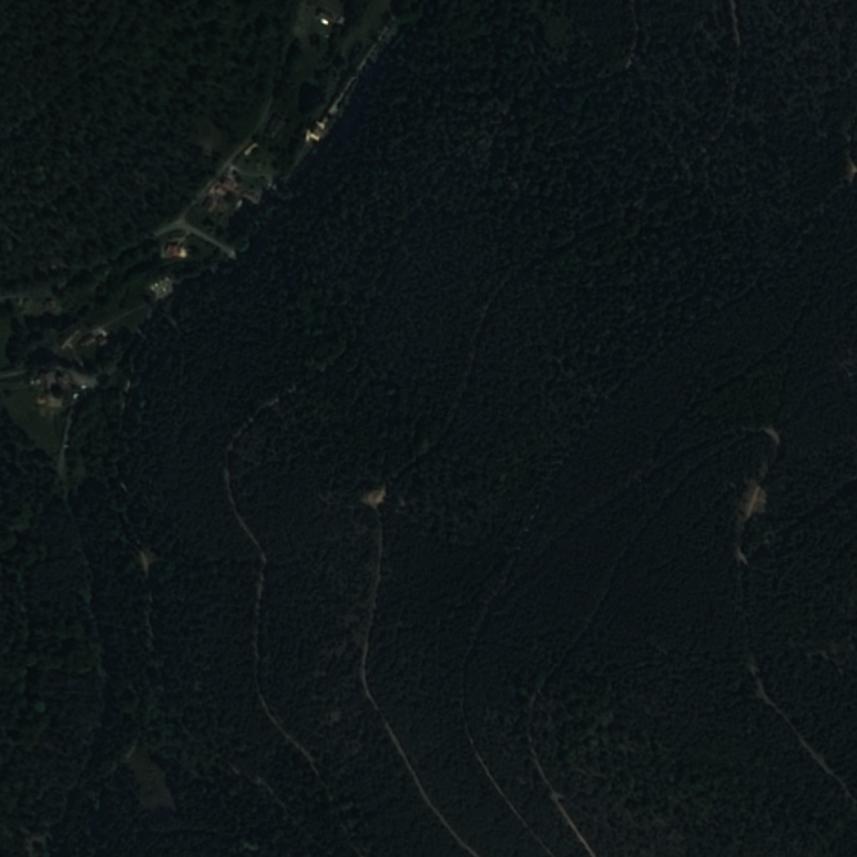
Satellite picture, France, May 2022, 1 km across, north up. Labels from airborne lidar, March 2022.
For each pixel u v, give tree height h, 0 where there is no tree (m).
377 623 11
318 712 12
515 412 21
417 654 7
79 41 35
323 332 19
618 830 22
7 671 32
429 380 21
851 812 19
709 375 15
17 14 27
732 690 20
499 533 10
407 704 8
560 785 9
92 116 8
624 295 26
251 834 27
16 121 24
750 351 17
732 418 14
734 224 14
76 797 32
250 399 13
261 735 16
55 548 24
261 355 16
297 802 26
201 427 13
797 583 22
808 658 22
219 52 33
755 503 0
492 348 18
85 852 34
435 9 30
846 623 24
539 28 25
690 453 14
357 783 14
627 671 20
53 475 30
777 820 18
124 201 31
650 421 14
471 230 23
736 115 27
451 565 11
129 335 20
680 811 19
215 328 22
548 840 10
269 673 7
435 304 24
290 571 7
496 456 21
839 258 18
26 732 33
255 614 12
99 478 17
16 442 22
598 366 22
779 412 17
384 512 13
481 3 23
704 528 16
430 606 11
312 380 13
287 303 26
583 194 22
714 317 19
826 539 23
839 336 21
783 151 11
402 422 20
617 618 16
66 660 28
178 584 22
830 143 12
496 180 23
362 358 16
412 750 8
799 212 10
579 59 9
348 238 25
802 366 18
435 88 19
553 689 9
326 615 6
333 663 8
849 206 19
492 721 6
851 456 19
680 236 11
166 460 23
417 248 27
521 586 21
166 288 0
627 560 13
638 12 16
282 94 26
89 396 18
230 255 0
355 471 11
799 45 18
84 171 24
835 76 18
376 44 18
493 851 9
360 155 28
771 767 20
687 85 26
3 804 33
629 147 27
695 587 18
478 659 14
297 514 8
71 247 35
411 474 7
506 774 7
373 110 28
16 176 31
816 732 21
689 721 23
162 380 16
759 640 20
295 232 25
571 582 17
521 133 28
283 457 6
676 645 23
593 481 15
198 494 19
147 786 0
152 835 24
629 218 13
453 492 25
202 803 25
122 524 36
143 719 22
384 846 13
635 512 18
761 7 23
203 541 23
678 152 27
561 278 22
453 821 8
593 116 30
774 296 17
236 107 11
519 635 19
